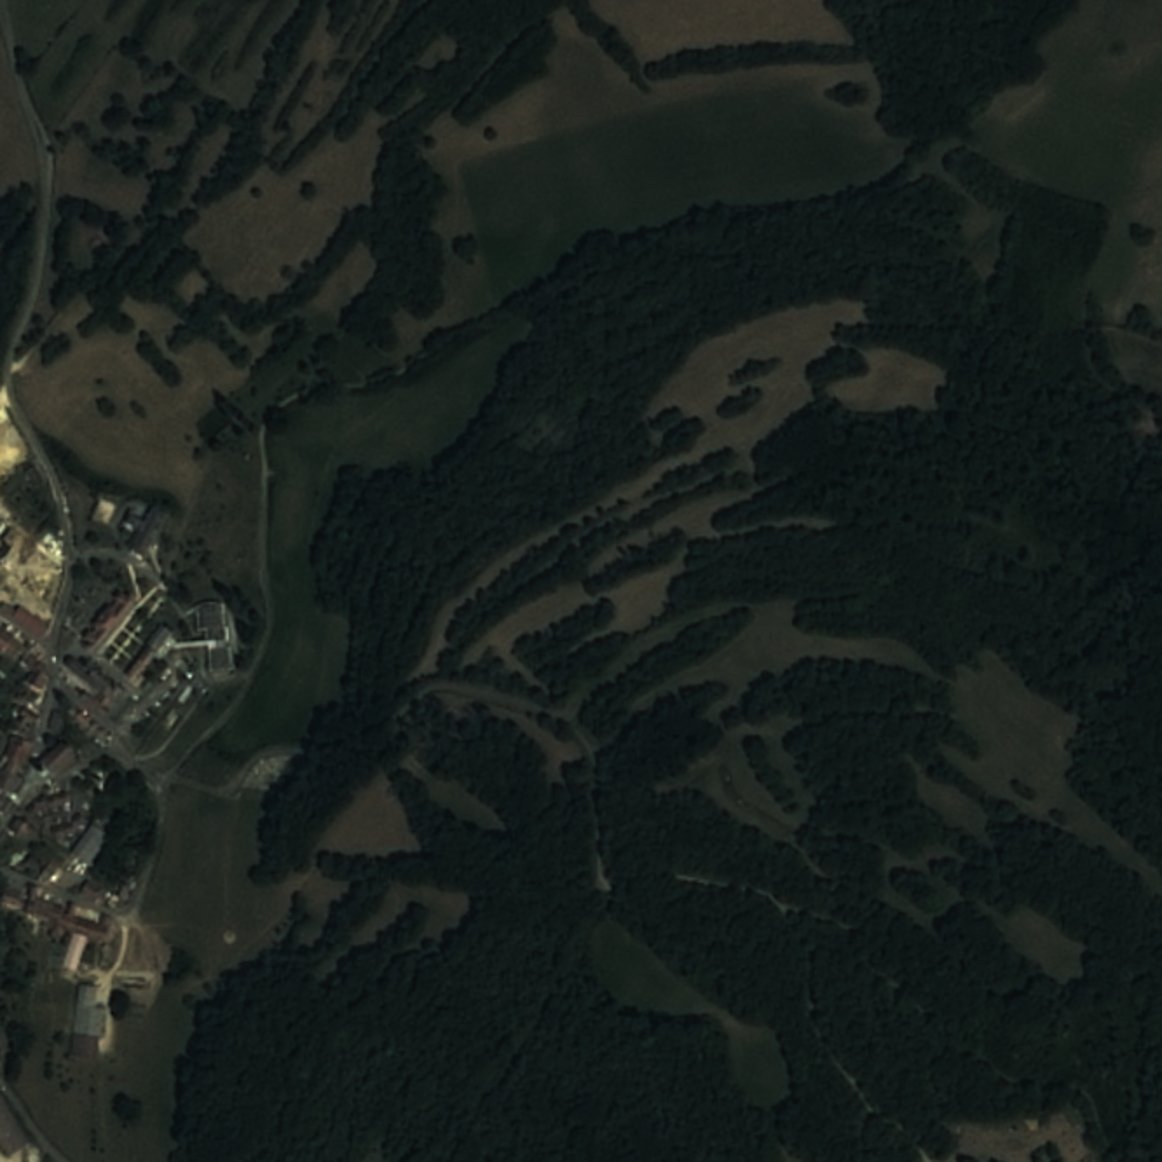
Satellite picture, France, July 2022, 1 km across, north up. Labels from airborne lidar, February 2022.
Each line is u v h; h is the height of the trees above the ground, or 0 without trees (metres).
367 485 10
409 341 0
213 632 0
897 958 17
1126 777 22
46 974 0
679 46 0
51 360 6
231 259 0
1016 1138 0
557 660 7
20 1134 0
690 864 7
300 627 0
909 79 12
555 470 12
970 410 20
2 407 0
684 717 11
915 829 19
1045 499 14
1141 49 0
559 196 0
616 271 16
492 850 23
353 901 16
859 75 0
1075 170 0
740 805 0
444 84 16
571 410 7
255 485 0
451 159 0
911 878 20
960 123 20
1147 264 0
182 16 0
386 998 14
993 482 20
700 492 6
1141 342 0
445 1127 8
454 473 14
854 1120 11
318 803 13
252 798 0
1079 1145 0
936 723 13
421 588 14
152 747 0
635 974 0
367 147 0
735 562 13
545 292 15
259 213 0
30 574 0
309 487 0
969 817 0
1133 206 0
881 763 19
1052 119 0
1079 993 20
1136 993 16
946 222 12
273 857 21
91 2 0
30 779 0
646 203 0
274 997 13
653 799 14
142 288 14
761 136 0
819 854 11
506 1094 12
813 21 0
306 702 0
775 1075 0
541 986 15
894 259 7
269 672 0
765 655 0
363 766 19
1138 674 16
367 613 17
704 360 0
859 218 16
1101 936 16
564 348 14
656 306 6
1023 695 0
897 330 11
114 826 11
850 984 11
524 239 0
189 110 0
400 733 19
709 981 15
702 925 17
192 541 6
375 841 0
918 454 21
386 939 14
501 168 0
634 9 0
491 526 12
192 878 0
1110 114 0
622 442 11
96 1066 0
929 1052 15
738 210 6
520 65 12
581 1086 8
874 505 7
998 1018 15
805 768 16
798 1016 16
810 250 11
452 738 15
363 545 10
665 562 13
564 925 16
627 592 0
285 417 9
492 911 19
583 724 9
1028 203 6
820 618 9
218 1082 16
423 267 20
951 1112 15
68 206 16
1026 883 21
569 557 13
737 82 0
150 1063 0
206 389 0
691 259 14
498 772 16
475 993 9
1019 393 10
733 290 15
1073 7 15
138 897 0
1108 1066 10
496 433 12
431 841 18
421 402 0
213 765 0
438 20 16
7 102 0
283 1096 12
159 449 0
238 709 0
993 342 18
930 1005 11
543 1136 8
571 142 0
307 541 0
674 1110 10
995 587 15
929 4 13
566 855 17
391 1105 10
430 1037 13
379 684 14
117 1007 13
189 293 0
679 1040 22
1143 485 16
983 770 0
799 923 13
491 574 0
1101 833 0
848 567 11
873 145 0
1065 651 14
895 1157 14
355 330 21
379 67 13
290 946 10
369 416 0
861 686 18
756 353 0
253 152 17
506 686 14
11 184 0
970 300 14
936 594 13
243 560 0
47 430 0
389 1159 6
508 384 18
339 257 12
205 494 0
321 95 0
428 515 15
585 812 12
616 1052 10
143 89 0
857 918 13
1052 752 0
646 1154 14
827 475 11
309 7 12
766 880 12
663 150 0
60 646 0
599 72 0
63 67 0
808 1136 20
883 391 0
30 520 0
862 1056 13
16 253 18
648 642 0
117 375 0
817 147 0
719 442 0
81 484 0
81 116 0
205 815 0
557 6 14
